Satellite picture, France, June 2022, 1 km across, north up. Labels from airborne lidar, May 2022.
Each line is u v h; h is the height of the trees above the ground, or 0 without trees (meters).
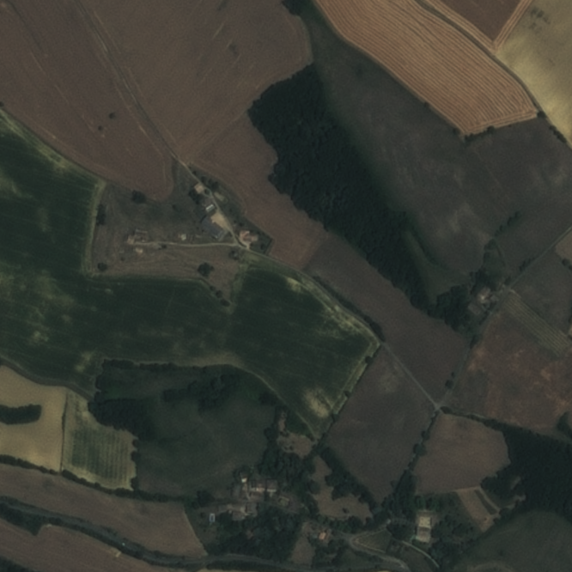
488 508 0
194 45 0
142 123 0
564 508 16
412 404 0
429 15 0
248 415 0
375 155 0
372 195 30
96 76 0
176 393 13
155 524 0
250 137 0
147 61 0
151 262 0
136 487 14
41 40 0
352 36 0
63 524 8
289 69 0
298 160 29
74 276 0
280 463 16
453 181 0
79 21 0
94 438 0
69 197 0
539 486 21
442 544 15
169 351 0
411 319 0
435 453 0
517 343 0
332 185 26
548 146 0
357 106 0
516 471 18
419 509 16
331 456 22
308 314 0
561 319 0
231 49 0
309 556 0
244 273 0
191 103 0
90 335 0
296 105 14
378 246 22
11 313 0
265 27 0
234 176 0
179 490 0
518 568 0
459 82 0
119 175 0
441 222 0
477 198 0
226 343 0
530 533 0
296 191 20
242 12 0
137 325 0
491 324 0
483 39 0
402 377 0
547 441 19
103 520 0
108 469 0
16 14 0
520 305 0
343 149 23
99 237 0
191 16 0
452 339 0
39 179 0
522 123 0
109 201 0
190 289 0
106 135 0
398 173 0
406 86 0
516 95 0
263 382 9
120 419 23
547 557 0
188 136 0
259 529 10
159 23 0
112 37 0
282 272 0
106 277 0
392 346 0
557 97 0
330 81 0
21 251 0
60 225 0
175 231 0
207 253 0
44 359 0
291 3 23
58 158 0
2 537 0
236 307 0
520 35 0
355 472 0
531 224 0
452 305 8
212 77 0
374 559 13
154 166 0
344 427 0
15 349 0
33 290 0
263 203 0
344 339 0
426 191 0
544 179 0
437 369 0
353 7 0
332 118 16
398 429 0
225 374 12
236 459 0
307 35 0
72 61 0
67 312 0
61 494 0
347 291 0
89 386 0
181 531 0
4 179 0
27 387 0
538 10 0
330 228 18
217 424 0
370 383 0
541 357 0
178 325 0
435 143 0
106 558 0
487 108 0
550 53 0
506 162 0
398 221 8
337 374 0
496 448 0
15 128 0
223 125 0
